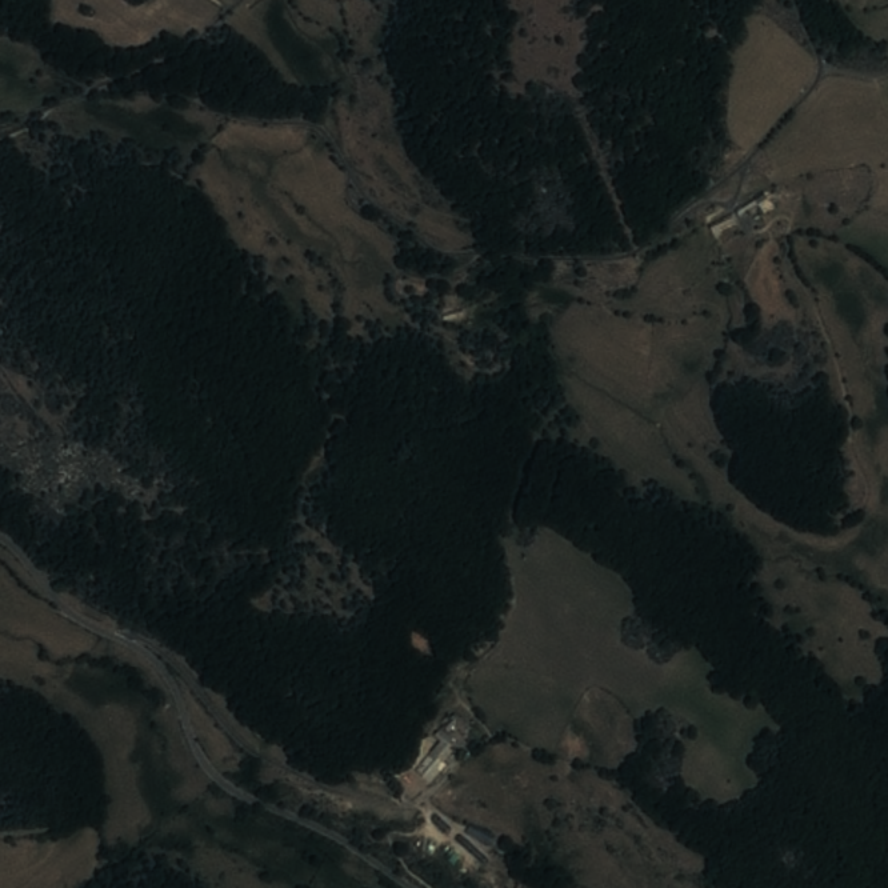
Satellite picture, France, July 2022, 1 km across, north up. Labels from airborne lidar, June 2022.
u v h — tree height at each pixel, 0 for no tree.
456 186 17
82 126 0
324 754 14
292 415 15
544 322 9
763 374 0
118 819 0
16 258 13
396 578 16
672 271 0
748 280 0
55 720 21
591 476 26
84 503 14
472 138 13
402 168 0
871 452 0
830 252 0
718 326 0
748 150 0
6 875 0
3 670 0
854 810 22
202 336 20
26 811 17
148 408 12
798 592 0
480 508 18
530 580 0
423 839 0
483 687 0
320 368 9
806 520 25
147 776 0
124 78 13
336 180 0
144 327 14
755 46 0
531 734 0
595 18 10
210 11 0
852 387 0
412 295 9
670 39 17
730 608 27
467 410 17
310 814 12
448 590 17
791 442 19
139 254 17
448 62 11
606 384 0
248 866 0
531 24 0
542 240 12
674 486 0
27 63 0
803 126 0
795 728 18
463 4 16
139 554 12
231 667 19
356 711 14
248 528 16
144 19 0
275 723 22
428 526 14
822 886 12
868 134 0
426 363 12
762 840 11
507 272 8
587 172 15
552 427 7
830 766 21
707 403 0
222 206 0
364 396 17
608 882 0
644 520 25
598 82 14
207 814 0
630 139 11
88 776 26
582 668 0
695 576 25
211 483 11
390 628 20
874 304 0
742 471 20
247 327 19
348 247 0
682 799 13
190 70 21
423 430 19
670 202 19
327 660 13
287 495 16
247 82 11
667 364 0
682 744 10
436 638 24
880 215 0
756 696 17
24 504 13
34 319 15
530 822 0
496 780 0
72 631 0
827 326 0
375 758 16
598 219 16
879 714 20
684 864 0
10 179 18
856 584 11
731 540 20
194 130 0
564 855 0
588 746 0
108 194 16
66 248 14
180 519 9
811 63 0
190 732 0
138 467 7
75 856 0
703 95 15
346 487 13
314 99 17
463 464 22
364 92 0
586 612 0
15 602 0
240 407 16
